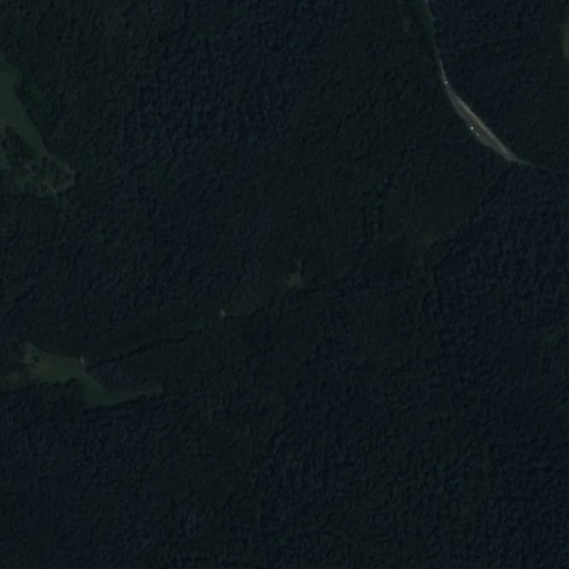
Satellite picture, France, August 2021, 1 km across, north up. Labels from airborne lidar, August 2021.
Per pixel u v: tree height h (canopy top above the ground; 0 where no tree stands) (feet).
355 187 92
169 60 119
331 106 94
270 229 78
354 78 108
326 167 85
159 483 102
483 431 90
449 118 90
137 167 34
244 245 56
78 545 100
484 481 94
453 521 65
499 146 0
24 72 21
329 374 78
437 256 78
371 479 67
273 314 83
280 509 94
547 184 52
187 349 60
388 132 90
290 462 110
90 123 95
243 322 45
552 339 76
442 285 115
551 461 71
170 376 73
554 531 75
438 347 120
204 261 89
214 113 62
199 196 67
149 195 84
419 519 98
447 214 85
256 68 82
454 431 96
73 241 68
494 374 94
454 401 89
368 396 72
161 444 98
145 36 96
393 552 90
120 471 101
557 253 75
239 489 101
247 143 78
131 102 113
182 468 106
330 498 97
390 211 75
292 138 71
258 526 107
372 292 93
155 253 91
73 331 89
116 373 63
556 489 86
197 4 77
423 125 124
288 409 104
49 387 50
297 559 67
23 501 90
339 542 67
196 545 99
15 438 93
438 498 89
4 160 0
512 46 81
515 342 75
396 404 80
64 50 74
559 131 96
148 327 72
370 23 94
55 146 78
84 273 83
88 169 60
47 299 78
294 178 70
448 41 94
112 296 96
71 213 44
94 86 93
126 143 100
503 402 88
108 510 87
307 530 77
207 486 82
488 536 56
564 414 92
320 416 105
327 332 101
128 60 98
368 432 63
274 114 81
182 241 75
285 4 74
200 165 73
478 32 85
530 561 117
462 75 53
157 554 88
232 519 93
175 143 75
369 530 86
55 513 89
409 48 112
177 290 125
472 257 90
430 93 111
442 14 73
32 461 94
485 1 92
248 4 81
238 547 110
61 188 33
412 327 99
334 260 83
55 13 90
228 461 93
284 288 57
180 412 49
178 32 31
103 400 0
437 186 76
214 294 85
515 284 77
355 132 98
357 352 92
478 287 78
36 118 44
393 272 35
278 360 83
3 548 84
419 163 81
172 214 77
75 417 99
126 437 91
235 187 61
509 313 104
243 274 42
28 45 84
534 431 104
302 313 84
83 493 87
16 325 64
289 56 106
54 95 30
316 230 71
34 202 79
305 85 81
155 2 84
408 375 94
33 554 101
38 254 48
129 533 63
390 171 88
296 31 100
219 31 93
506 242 97
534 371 84
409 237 56
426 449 75
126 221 72
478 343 93
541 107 64
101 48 104
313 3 28
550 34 69
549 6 84
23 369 42
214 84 89
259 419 78
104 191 68
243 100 57
